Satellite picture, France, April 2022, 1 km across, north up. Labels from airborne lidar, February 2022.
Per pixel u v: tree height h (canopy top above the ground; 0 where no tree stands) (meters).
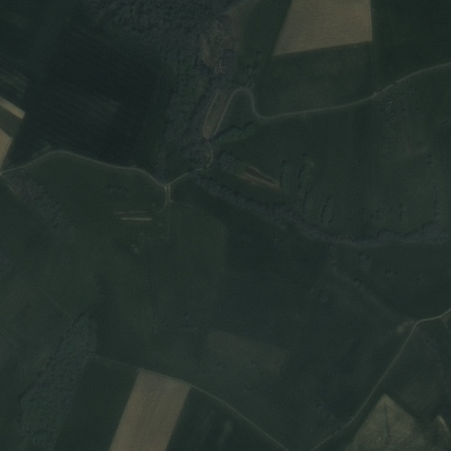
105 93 0
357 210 0
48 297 0
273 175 0
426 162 0
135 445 0
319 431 0
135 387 0
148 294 0
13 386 0
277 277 0
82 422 0
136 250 0
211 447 0
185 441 0
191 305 0
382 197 0
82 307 0
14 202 0
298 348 0
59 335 0
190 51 20
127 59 0
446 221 0
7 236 0
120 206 0
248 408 0
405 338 0
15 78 0
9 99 0
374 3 0
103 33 0
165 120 0
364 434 0
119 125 0
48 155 0
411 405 0
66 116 0
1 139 0
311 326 0
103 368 0
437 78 0
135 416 0
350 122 0
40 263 0
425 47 0
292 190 0
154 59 0
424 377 0
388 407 0
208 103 23
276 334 0
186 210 0
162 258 0
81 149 0
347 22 0
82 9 0
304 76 0
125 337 0
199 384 0
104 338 0
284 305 0
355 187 0
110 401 0
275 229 0
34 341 0
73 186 0
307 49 0
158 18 30
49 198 9
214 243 0
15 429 0
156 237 0
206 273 0
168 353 0
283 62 0
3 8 0
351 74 0
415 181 0
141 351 0
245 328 0
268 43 0
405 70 0
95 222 0
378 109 0
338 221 0
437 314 0
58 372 22
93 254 0
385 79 0
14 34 0
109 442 0
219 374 0
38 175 0
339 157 0
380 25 0
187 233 0
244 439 0
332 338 0
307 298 0
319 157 0
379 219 9
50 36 0
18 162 0
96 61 0
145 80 0
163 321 0
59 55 0
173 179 0
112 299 0
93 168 0
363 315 0
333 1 0
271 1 0
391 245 0
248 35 0
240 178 0
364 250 0
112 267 0
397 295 0
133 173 0
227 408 0
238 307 0
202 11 25
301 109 0
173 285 0
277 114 0
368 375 0
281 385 0
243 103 0
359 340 0
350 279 0
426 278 0
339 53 0
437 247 0
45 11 0
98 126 0
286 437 0
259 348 0
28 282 0
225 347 0
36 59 0
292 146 0
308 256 0
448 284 0
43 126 0
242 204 24
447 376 7
